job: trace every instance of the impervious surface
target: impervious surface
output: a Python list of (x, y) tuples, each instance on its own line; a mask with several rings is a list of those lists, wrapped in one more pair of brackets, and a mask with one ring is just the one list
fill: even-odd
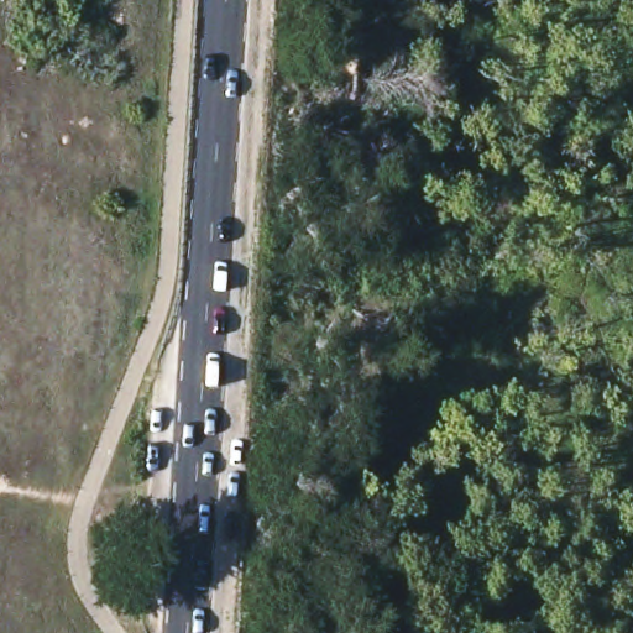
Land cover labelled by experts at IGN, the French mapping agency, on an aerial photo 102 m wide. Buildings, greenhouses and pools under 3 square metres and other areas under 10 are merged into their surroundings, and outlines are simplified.
[(89, 546), (91, 524), (91, 509), (106, 475), (116, 445), (124, 435), (124, 425), (131, 408), (136, 401), (138, 383), (151, 383), (153, 398), (148, 415), (146, 482), (148, 497), (153, 499), (156, 517), (168, 529), (171, 549), (176, 554), (176, 564), (166, 566), (158, 588), (158, 611), (151, 613), (148, 618), (153, 633), (237, 633), (240, 581), (230, 576), (230, 571), (232, 566), (247, 561), (247, 554), (252, 551), (260, 537), (257, 514), (247, 499), (247, 475), (242, 472), (240, 460), (240, 448), (247, 435), (250, 388), (245, 381), (225, 386), (218, 378), (218, 359), (232, 354), (237, 359), (247, 359), (252, 354), (255, 292), (247, 287), (230, 287), (225, 267), (240, 262), (245, 265), (245, 270), (257, 267), (255, 255), (260, 242), (262, 190), (257, 181), (257, 163), (265, 143), (270, 77), (265, 77), (265, 72), (267, 67), (272, 67), (274, 0), (181, 0), (168, 99), (171, 126), (163, 178), (161, 277), (151, 304), (148, 324), (129, 361), (126, 376), (106, 418), (99, 448), (91, 457), (82, 490), (77, 492), (74, 509), (67, 537), (67, 564), (74, 591), (79, 593), (87, 613), (96, 621), (101, 633), (126, 633), (119, 616), (114, 608), (101, 606), (96, 601), (96, 588), (91, 581), (94, 551)]

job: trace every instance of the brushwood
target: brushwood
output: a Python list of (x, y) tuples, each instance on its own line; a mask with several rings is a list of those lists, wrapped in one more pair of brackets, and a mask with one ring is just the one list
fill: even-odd
[(116, 485), (146, 482), (148, 415), (136, 413), (131, 408), (124, 425), (124, 435), (116, 445), (106, 475)]
[(106, 200), (106, 213), (111, 218), (124, 218), (129, 208), (136, 205), (136, 193), (129, 188), (114, 188)]

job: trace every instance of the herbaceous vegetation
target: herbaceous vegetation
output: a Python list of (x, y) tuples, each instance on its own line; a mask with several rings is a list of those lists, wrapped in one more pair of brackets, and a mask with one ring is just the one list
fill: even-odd
[(151, 613), (119, 616), (126, 633), (153, 633), (148, 618)]
[(106, 475), (91, 509), (91, 524), (114, 514), (119, 502), (136, 504), (141, 497), (148, 497), (146, 482), (116, 485)]
[[(79, 20), (87, 22), (91, 32), (99, 32), (111, 17), (116, 17), (119, 27), (114, 30), (114, 40), (124, 40), (131, 52), (136, 74), (121, 89), (104, 77), (82, 89), (72, 77), (64, 77), (52, 62), (42, 69), (37, 64), (27, 64), (25, 54), (15, 57), (15, 52), (5, 47), (5, 15), (0, 5), (0, 477), (20, 487), (77, 492), (82, 490), (91, 457), (99, 448), (106, 418), (126, 376), (129, 361), (148, 324), (151, 304), (161, 277), (163, 178), (171, 126), (168, 99), (181, 0), (87, 0)], [(124, 218), (111, 218), (106, 213), (106, 200), (114, 188), (129, 188), (136, 193), (136, 205), (129, 208)]]
[(138, 383), (136, 401), (131, 408), (136, 413), (148, 415), (153, 398), (151, 383)]
[(30, 497), (0, 495), (0, 633), (101, 633), (96, 621), (87, 613), (79, 593), (74, 591), (67, 564), (67, 537), (74, 509), (67, 504), (40, 502)]

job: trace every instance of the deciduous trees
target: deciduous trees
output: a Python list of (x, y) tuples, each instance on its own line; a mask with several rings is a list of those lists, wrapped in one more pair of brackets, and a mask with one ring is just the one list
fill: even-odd
[(230, 287), (247, 287), (255, 292), (252, 354), (247, 359), (237, 359), (232, 354), (218, 359), (218, 378), (225, 386), (245, 381), (250, 388), (247, 435), (240, 448), (240, 460), (242, 472), (247, 475), (247, 499), (257, 514), (260, 537), (252, 551), (247, 554), (247, 561), (232, 566), (230, 571), (230, 576), (240, 581), (237, 633), (633, 633), (633, 0), (274, 0), (272, 67), (267, 67), (265, 72), (265, 77), (270, 77), (265, 143), (257, 163), (257, 181), (262, 190), (260, 242), (255, 255), (257, 267), (245, 270), (245, 265), (240, 262), (225, 267)]
[(158, 588), (166, 566), (176, 564), (176, 554), (171, 549), (168, 529), (156, 517), (153, 499), (148, 497), (141, 497), (136, 504), (119, 502), (114, 514), (91, 524), (89, 546), (94, 551), (91, 581), (96, 588), (96, 601), (101, 606), (114, 608), (119, 616), (151, 613), (158, 611)]
[(82, 89), (104, 77), (121, 89), (136, 74), (131, 52), (124, 40), (114, 40), (114, 30), (119, 27), (116, 17), (111, 17), (99, 32), (91, 32), (87, 22), (79, 20), (87, 0), (0, 0), (0, 5), (5, 15), (5, 47), (15, 52), (15, 57), (25, 54), (27, 64), (37, 64), (42, 69), (52, 62), (64, 77), (72, 77)]

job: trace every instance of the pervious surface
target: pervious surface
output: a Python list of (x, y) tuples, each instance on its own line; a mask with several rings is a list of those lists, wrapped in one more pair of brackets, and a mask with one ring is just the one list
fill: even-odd
[(0, 477), (0, 495), (30, 497), (40, 502), (67, 504), (74, 509), (77, 492), (20, 487)]

